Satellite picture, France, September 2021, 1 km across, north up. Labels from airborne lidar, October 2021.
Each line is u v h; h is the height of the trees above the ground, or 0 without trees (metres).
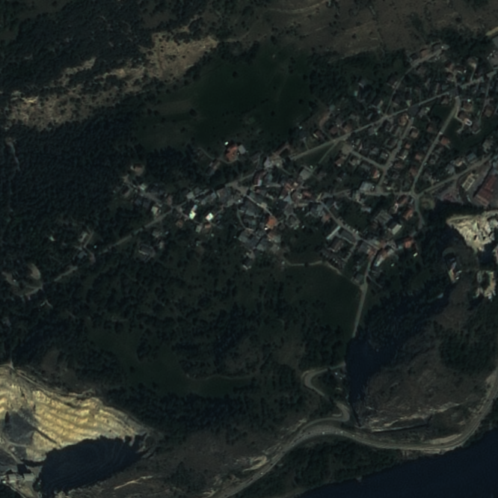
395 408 0
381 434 0
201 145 0
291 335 0
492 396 0
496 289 7
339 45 0
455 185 0
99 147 22
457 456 9
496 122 0
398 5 0
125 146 14
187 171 11
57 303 17
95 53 12
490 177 0
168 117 0
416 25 7
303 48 0
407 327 11
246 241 0
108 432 0
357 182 0
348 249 6
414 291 0
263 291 9
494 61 0
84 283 10
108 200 13
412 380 0
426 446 0
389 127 0
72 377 0
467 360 16
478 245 0
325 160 0
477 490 9
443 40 11
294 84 0
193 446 0
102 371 9
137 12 13
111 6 15
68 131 20
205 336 12
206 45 0
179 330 7
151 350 14
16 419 0
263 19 0
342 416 0
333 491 16
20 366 6
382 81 8
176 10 7
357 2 8
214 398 0
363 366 9
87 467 6
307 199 0
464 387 0
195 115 15
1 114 9
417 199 0
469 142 0
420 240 10
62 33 17
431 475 17
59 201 15
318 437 0
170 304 13
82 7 17
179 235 11
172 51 0
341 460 11
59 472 0
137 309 9
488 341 8
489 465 17
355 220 0
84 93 11
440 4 0
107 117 19
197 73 17
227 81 0
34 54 20
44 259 15
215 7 11
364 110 16
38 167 19
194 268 0
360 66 11
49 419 0
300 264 0
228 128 0
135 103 19
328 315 0
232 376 8
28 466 0
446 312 0
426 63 6
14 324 20
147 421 14
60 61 16
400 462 9
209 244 6
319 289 0
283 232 7
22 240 17
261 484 6
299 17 0
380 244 0
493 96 14
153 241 8
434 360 0
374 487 15
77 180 17
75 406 0
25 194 19
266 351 14
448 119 0
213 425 13
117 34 14
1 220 13
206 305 12
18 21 14
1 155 13
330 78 8
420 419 0
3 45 13
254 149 6
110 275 6
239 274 7
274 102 0
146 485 0
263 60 0
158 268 11
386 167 0
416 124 0
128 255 6
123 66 14
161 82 9
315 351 14
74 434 0
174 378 0
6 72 18
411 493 19
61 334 19
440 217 20
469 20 0
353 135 7
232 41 0
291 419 0
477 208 9
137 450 0
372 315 13
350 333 0
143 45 9
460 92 12
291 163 14
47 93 15
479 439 15
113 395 9
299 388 11
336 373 0
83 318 14
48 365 0
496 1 0
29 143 22
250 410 11
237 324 21
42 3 0
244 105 0
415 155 9
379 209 10
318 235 0
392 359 8
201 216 9
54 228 19
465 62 6
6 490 18
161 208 0
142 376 0
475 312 6
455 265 0
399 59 9
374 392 0
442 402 0
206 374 7
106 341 0
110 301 6
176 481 8
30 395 0
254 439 0
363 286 0
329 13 0
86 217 12
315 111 10
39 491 0
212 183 16
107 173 27
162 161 21
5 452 0
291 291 0
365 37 0
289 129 0
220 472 23
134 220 15
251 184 5
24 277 22
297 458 12
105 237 15
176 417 22
